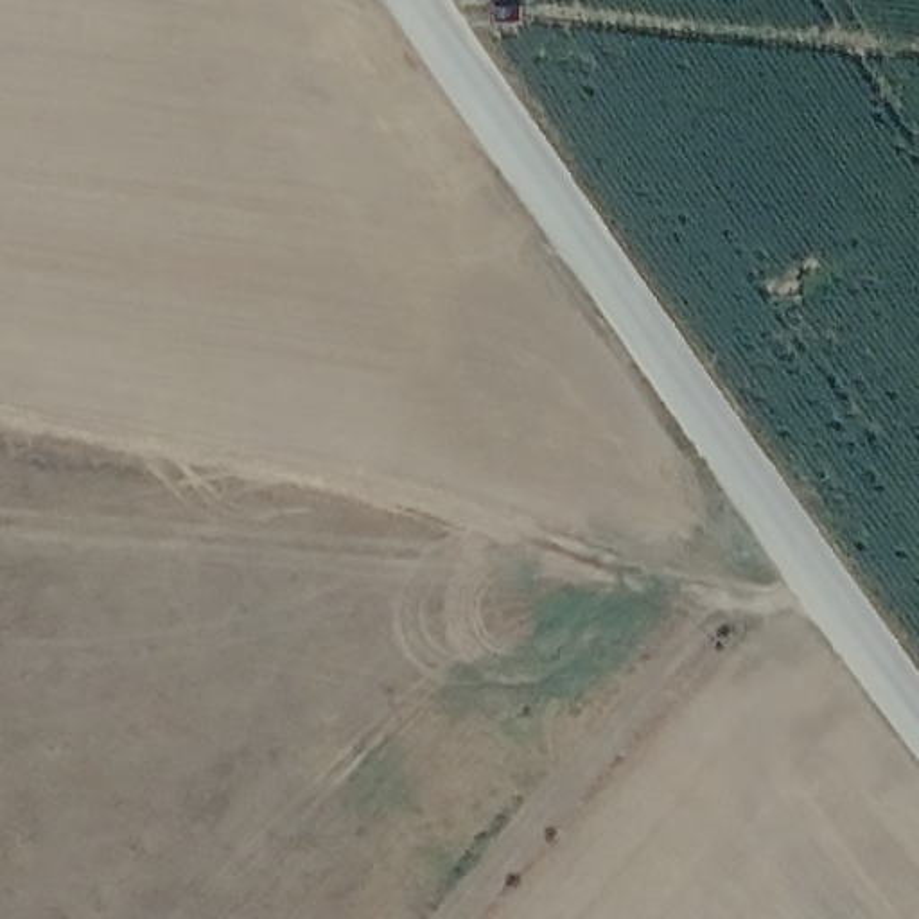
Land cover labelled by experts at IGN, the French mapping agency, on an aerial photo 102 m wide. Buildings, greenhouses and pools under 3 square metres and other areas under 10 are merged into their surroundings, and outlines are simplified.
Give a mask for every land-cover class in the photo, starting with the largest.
<instances>
[{"label":"agricultural land","instance_id":"1","mask_svg":"<svg viewBox=\"0 0 919 919\"><path fill-rule=\"evenodd\" d=\"M481 47L499 61L528 115L538 122V129L556 147L585 197L596 205L625 255L643 273L646 287L657 294V302L675 319V327L700 355L707 373L718 381V388L736 402L754 442L779 467L797 503L815 517L822 535L836 546L847 571L865 589V596L883 614L901 646L919 661V0H456ZM757 632L754 614H725L711 610L707 603H696L689 592L678 589V582L657 578L653 567L632 556L607 553V542L592 531V524L571 528L546 521L535 528V535H524L517 542H495L485 531H463L420 510L388 513L337 492L302 485L262 488L258 481L230 477L223 467H176L165 456H147L140 463L136 456L86 445L75 438L0 431V919H517L506 908L513 890L549 862L556 836L574 833L596 811L600 793L621 783V768L646 765L650 747L664 732V725L678 718L714 682L725 657L722 650H729V635L740 643Z\"/></svg>","mask_w":919,"mask_h":919},{"label":"plowed land","instance_id":"2","mask_svg":"<svg viewBox=\"0 0 919 919\"><path fill-rule=\"evenodd\" d=\"M492 162V154L481 147V140L445 93V86L434 79V72L424 65L413 39L406 36V29L384 0H0V431L75 438L86 445L136 456L140 463L147 456H165L176 467H223L230 477L258 481L262 488L302 485L337 492L388 513L420 510L463 531H485L495 542H517L524 535H535V528L546 521L571 528L592 524L610 521L628 531H646L650 542L686 538L700 513L682 503L686 460L675 452L661 424L653 420L650 406L628 381V373L610 359L607 345L589 330L578 309H571L560 284L535 266L531 251L524 248V223L495 215L477 194L481 183H488L485 165ZM757 632L740 643L729 635V650H722L725 657L714 682L678 718L664 725V732L650 747L646 765L621 768V783L600 793L596 811L574 833L556 836L549 862L513 890L506 908L517 919H919V736L912 743L901 740L883 707L869 696L858 675L847 668V661L836 653L829 635L801 607L754 614Z\"/></svg>","mask_w":919,"mask_h":919},{"label":"impervious surface","instance_id":"3","mask_svg":"<svg viewBox=\"0 0 919 919\"><path fill-rule=\"evenodd\" d=\"M406 29V36L413 39L424 65L434 72V79L445 86V93L481 140V147L492 154V162L503 169L521 201L542 223L560 258L589 287L600 312L617 330L632 359L643 366L671 416L682 424L686 438L707 460L732 506L747 517L765 556L779 574L797 592L801 607L829 635L836 653L847 661V668L858 675L869 696L883 707L901 740L912 743L919 736V661L901 646L883 614L865 596V589L847 571L836 546L822 535L815 517L797 503L779 467L754 442L736 402L718 388V381L707 373L700 355L675 327V319L657 302V294L646 287L643 273L625 255L596 205L585 197L556 147L538 129V122L528 115L499 61L481 47L456 0H384Z\"/></svg>","mask_w":919,"mask_h":919},{"label":"herbaceous vegetation","instance_id":"4","mask_svg":"<svg viewBox=\"0 0 919 919\"><path fill-rule=\"evenodd\" d=\"M488 183H481L477 194L495 215L524 223V248L531 251L535 266L560 284L571 309H578L589 330L607 345L610 359L628 373V381L650 406L653 420L661 424L675 452L686 460L682 503L700 513L686 538V549L693 556L714 560L729 578L772 585L779 574L765 556L747 517L732 506L707 460L686 438L682 424L671 416L643 366L632 359L617 330L600 312L589 287L560 258L542 223L521 201L503 169L492 162L485 165Z\"/></svg>","mask_w":919,"mask_h":919},{"label":"pervious surface","instance_id":"5","mask_svg":"<svg viewBox=\"0 0 919 919\"><path fill-rule=\"evenodd\" d=\"M592 531L607 542V553L632 556L653 567L657 578L678 582V589L689 592L696 603H707L711 610L725 614H754L801 607L797 592L779 574L772 585L729 578L714 560L693 556L686 549V538L650 542L646 531H628L610 521L592 524Z\"/></svg>","mask_w":919,"mask_h":919}]
</instances>
